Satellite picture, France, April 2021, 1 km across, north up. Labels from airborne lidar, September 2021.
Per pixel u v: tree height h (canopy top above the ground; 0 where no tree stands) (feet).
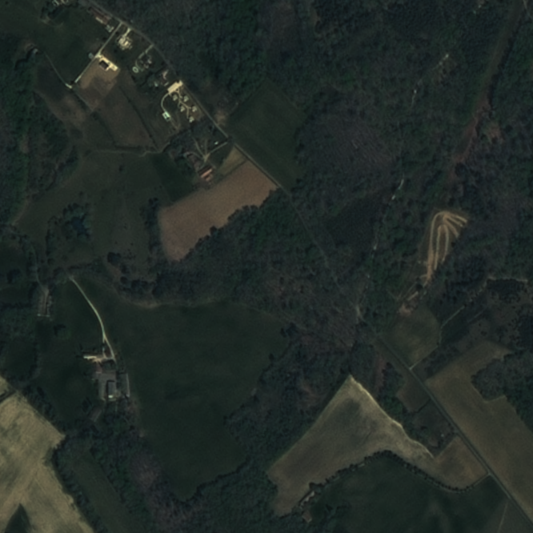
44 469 0
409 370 0
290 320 59
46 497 0
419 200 35
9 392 25
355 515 0
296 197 60
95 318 0
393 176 64
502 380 52
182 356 0
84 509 58
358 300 50
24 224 0
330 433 0
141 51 0
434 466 0
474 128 0
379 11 56
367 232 20
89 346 0
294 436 36
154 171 0
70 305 0
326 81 56
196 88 53
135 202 0
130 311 0
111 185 0
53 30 0
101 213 0
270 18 47
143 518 64
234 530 42
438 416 0
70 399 0
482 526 0
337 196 50
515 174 61
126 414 33
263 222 66
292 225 41
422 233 44
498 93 73
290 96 49
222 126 0
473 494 0
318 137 68
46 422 0
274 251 37
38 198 0
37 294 48
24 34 0
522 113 47
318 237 55
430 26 83
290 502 0
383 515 0
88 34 0
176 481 0
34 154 33
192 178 36
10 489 0
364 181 54
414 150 63
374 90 80
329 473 0
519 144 59
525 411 60
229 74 71
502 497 0
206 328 0
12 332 81
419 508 0
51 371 0
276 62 27
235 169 0
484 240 46
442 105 76
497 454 0
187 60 49
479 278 43
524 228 59
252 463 55
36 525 0
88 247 0
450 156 66
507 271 46
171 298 51
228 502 64
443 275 59
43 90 0
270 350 0
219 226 0
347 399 0
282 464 0
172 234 0
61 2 27
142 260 0
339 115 52
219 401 0
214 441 0
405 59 72
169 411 0
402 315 0
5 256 0
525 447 0
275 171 0
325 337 53
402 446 0
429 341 0
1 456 0
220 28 52
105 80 0
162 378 0
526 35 65
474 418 0
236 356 0
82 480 0
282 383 30
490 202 56
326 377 59
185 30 60
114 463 68
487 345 0
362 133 55
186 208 0
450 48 69
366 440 0
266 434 27
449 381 0
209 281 74
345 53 70
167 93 0
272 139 0
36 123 35
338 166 54
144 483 32
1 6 0
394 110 55
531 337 18
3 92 73
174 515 36
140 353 0
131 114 0
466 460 0
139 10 46
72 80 0
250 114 0
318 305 69
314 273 35
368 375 53
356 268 20
